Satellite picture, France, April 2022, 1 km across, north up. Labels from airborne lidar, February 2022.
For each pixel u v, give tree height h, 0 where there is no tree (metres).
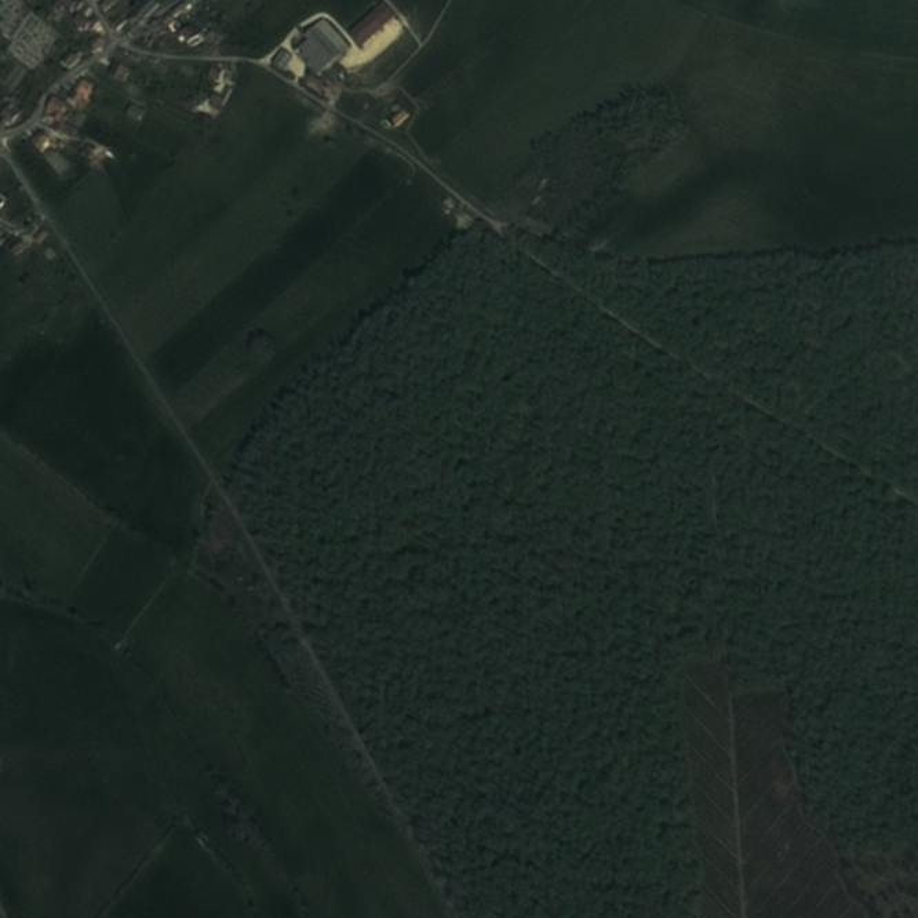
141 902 0
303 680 16
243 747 0
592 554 25
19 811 0
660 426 24
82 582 0
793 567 22
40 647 0
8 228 0
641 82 0
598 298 16
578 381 24
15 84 0
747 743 0
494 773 25
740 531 25
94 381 0
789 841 0
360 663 22
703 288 19
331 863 0
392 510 24
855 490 26
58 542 0
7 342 0
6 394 0
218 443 0
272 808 0
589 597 23
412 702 23
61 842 0
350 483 23
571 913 24
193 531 0
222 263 0
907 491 23
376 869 0
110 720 0
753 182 0
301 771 0
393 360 24
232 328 0
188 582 0
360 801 0
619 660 24
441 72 0
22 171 0
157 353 0
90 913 0
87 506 0
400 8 0
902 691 22
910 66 0
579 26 0
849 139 0
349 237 0
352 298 0
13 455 0
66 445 0
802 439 20
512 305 22
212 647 0
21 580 0
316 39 0
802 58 0
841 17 0
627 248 0
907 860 0
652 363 21
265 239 0
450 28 0
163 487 0
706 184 0
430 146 0
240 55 0
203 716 0
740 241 0
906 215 0
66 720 0
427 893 0
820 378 19
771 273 20
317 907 0
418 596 23
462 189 0
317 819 0
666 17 0
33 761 0
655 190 0
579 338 20
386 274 0
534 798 27
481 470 24
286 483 24
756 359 22
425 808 25
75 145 0
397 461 23
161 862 0
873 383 20
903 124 0
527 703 27
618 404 23
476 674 25
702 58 0
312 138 0
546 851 27
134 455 0
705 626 26
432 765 22
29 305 0
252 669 0
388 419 24
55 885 0
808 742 17
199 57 0
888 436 22
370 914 0
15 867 0
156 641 0
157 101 0
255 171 0
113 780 0
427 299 24
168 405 0
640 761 20
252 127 0
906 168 0
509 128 0
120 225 0
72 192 0
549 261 19
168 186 0
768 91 0
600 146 0
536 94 0
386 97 0
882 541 19
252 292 0
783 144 0
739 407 24
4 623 0
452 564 24
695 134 0
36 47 0
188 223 0
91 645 0
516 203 0
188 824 0
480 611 22
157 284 0
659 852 24
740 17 0
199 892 0
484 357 21
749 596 26
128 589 0
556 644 25
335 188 0
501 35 0
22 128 0
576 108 0
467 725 26
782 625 28
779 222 0
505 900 24
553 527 21
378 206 0
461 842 28
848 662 25
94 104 8
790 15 0
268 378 0
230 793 14
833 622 26
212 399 0
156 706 0
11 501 0
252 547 0
